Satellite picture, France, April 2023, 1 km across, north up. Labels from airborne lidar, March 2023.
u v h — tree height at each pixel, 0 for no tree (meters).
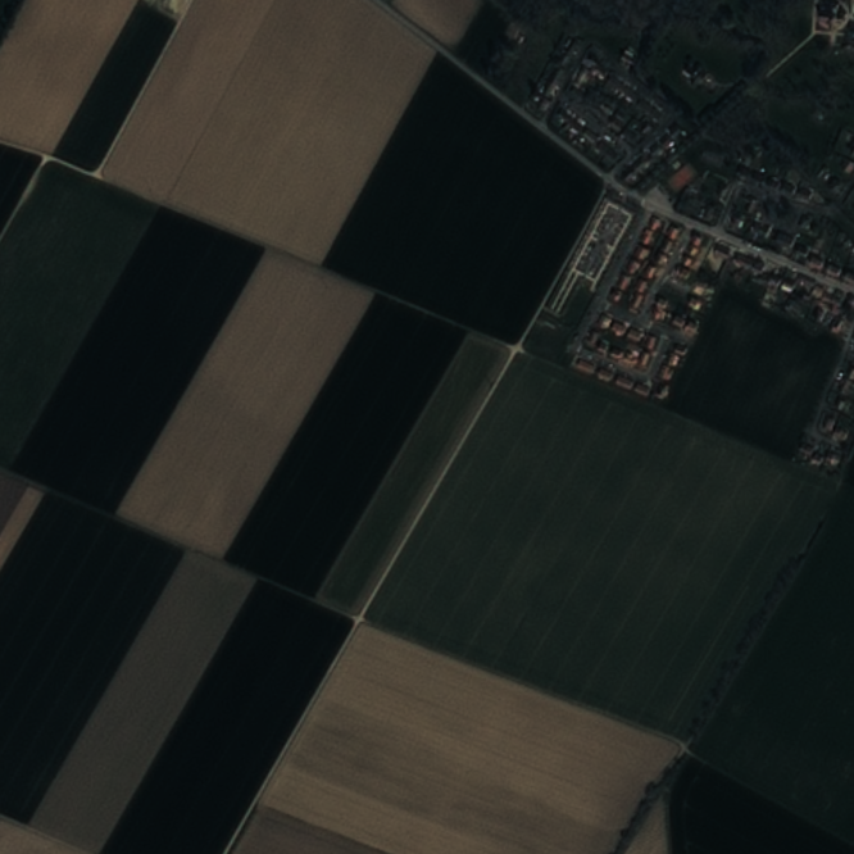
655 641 0
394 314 0
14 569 0
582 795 0
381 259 0
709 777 0
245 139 0
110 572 0
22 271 0
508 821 0
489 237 0
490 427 0
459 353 0
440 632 0
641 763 0
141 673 0
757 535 0
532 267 0
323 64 0
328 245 0
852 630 0
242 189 0
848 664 0
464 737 0
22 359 0
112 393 0
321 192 0
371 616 0
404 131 0
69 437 0
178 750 0
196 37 0
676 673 0
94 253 0
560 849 0
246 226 0
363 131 0
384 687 0
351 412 0
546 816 0
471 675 0
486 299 0
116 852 0
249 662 0
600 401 0
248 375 0
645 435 0
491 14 0
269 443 0
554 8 18
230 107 0
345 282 0
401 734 0
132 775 0
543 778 0
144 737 0
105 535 0
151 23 0
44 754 0
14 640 0
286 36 0
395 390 0
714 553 0
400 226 0
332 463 0
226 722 0
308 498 0
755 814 0
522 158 0
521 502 0
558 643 0
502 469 0
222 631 0
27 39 0
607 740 0
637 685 0
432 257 0
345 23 0
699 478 0
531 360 0
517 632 0
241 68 0
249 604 0
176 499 0
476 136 0
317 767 0
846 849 0
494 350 0
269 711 0
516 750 0
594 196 0
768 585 0
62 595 0
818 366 0
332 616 0
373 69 0
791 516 0
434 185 0
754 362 0
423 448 0
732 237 0
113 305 0
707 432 0
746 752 0
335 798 0
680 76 0
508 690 0
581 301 0
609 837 0
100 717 0
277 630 0
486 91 0
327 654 0
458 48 0
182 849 0
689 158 0
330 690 0
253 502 0
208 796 0
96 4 0
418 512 0
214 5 0
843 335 0
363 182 0
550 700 0
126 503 0
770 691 0
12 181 0
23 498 0
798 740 0
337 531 0
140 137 0
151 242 0
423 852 0
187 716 0
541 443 0
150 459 0
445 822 0
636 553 0
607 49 0
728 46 0
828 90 20
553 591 0
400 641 0
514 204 0
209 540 0
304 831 0
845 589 0
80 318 0
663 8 21
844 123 0
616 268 0
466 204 0
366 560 0
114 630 0
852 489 0
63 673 0
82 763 0
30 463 0
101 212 0
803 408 0
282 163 0
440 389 0
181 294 0
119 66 0
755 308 0
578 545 0
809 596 0
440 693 0
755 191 0
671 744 0
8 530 0
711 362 0
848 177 0
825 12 0
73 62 0
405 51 0
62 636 0
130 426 0
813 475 0
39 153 0
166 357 0
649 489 0
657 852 0
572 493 0
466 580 0
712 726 0
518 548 0
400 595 0
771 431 0
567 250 0
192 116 0
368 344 0
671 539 0
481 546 0
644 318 0
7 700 0
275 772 0
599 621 0
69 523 0
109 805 0
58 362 0
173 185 0
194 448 0
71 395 0
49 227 0
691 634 0
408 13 0
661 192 0
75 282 0
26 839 0
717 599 0
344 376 0
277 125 0
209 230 0
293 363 0
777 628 0
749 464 0
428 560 0
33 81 0
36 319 0
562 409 0
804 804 0
